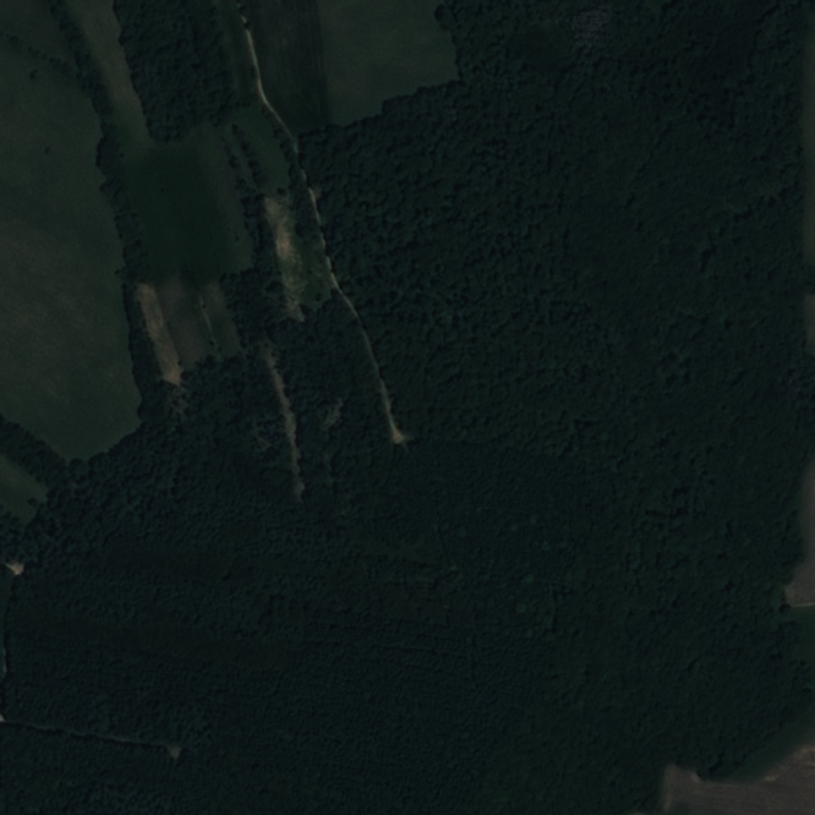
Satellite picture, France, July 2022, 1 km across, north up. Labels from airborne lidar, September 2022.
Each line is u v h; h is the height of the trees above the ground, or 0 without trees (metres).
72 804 24
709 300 19
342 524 21
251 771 20
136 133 0
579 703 19
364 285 29
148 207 0
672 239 21
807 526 0
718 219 25
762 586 18
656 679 19
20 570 0
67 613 20
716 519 20
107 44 0
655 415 20
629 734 23
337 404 19
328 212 22
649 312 20
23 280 0
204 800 26
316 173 20
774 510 22
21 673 22
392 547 8
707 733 20
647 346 19
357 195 20
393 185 19
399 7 0
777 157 21
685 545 19
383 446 20
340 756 22
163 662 22
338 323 25
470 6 22
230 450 32
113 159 20
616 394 17
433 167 18
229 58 13
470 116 21
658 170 21
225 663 22
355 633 22
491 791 18
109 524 25
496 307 21
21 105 0
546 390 21
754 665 22
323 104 0
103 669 21
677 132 23
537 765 18
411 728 23
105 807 38
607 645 19
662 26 11
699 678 22
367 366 19
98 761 28
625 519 20
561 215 23
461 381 21
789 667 19
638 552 12
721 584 16
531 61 7
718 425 20
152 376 24
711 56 11
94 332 0
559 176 21
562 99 20
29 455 16
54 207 0
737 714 20
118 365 0
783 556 19
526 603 15
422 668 19
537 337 22
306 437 29
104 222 0
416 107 23
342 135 23
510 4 19
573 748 16
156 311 0
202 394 27
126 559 20
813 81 0
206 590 30
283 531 24
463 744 21
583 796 19
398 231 26
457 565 17
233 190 0
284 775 23
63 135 0
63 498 20
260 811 22
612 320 20
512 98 18
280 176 0
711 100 22
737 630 22
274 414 18
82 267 0
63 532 26
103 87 20
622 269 20
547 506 17
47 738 25
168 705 27
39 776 25
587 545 21
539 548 16
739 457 20
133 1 23
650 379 21
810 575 0
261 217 24
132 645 17
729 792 0
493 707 21
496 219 22
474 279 19
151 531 26
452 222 15
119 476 32
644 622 18
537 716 19
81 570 27
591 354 20
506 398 19
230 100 14
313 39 0
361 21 0
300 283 0
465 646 20
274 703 21
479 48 20
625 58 7
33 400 0
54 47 0
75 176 0
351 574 15
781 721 22
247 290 21
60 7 18
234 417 5
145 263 18
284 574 23
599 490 12
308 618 18
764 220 23
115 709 26
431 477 16
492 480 15
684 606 25
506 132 18
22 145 0
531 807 20
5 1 0
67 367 0
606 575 19
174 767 27
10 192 0
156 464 27
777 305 20
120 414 0
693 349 22
